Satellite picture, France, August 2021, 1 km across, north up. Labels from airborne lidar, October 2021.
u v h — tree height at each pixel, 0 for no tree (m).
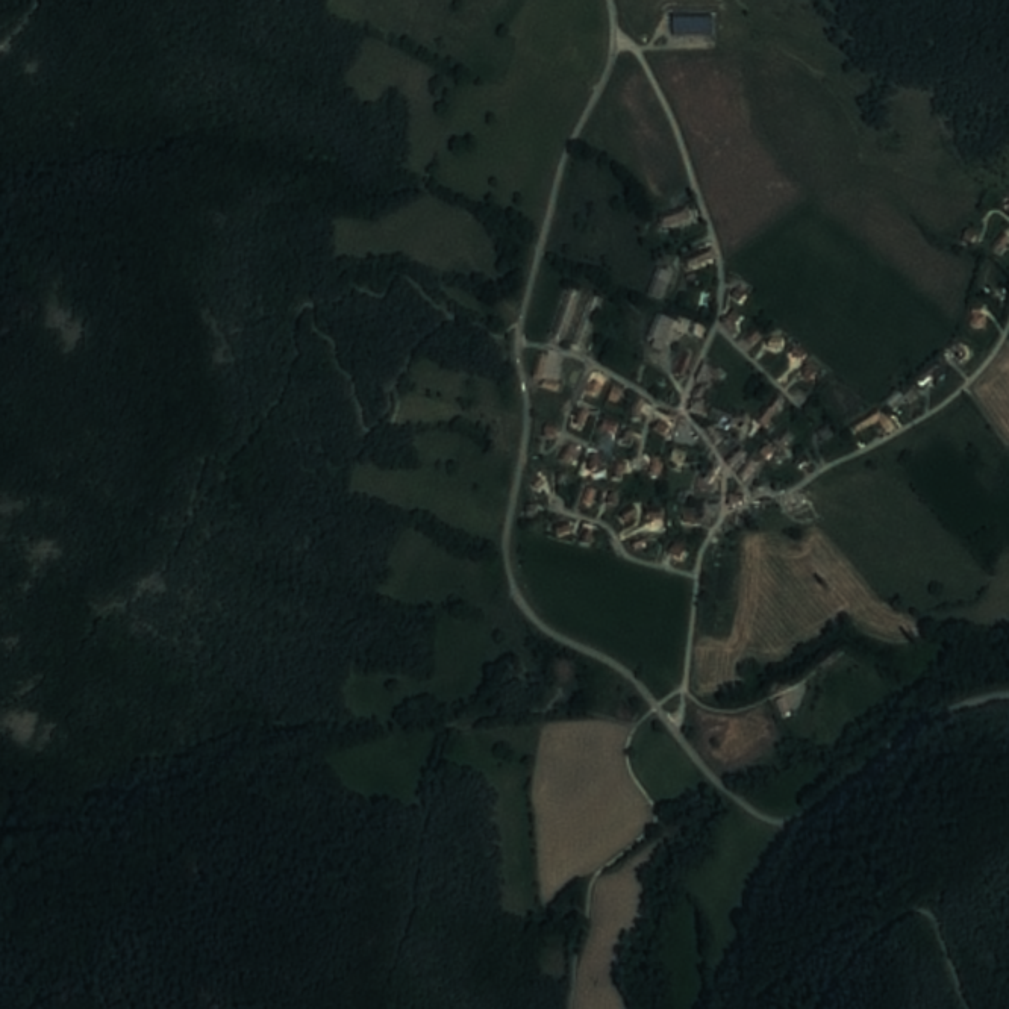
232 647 13
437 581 0
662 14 0
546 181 0
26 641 11
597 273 15
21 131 14
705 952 16
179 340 20
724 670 0
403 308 11
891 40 11
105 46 13
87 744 13
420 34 0
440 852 15
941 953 13
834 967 22
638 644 0
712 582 7
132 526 15
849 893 26
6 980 28
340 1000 25
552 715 8
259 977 23
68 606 17
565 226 0
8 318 23
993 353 0
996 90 15
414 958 9
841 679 0
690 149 0
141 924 29
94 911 30
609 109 0
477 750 0
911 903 14
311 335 10
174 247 19
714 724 0
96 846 25
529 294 0
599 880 0
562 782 0
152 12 16
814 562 0
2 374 16
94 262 27
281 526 12
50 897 29
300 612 13
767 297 0
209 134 14
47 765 19
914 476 0
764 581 0
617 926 0
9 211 25
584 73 0
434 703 15
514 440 0
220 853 33
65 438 11
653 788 0
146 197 27
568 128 0
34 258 25
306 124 13
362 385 13
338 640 15
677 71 0
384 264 12
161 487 13
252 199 10
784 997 20
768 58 0
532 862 0
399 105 11
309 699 15
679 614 0
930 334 0
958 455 0
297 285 16
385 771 0
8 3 6
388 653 13
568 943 7
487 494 0
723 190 0
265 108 12
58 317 0
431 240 0
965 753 18
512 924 17
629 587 0
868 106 14
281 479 15
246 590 10
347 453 12
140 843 26
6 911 28
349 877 18
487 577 0
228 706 16
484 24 0
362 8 0
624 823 0
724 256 0
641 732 0
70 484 13
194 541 10
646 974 22
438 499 0
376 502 12
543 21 0
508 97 0
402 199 16
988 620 0
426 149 0
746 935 17
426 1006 12
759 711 0
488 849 13
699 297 0
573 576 0
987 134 15
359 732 15
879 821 26
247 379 11
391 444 14
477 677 0
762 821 0
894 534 0
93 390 14
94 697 12
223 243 9
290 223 13
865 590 0
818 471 0
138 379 17
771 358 0
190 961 29
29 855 33
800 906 23
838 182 0
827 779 19
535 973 12
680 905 17
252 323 8
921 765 23
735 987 17
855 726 14
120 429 15
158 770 13
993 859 14
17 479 15
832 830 18
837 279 0
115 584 15
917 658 0
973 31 8
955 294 0
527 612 0
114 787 9
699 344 0
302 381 12
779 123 0
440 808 13
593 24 0
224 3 15
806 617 0
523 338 0
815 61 0
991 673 15
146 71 13
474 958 12
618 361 0
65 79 15
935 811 24
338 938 29
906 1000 13
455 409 0
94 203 31
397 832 17
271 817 27
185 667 11
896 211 0
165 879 27
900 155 0
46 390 16
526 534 0
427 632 18
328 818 20
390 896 20
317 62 14
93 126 13
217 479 13
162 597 7
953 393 0
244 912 26
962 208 0
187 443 13
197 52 11
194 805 29
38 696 13
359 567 16
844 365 0
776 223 0
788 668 13
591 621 0
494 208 11
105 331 13
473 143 15
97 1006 21
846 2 10
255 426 6
